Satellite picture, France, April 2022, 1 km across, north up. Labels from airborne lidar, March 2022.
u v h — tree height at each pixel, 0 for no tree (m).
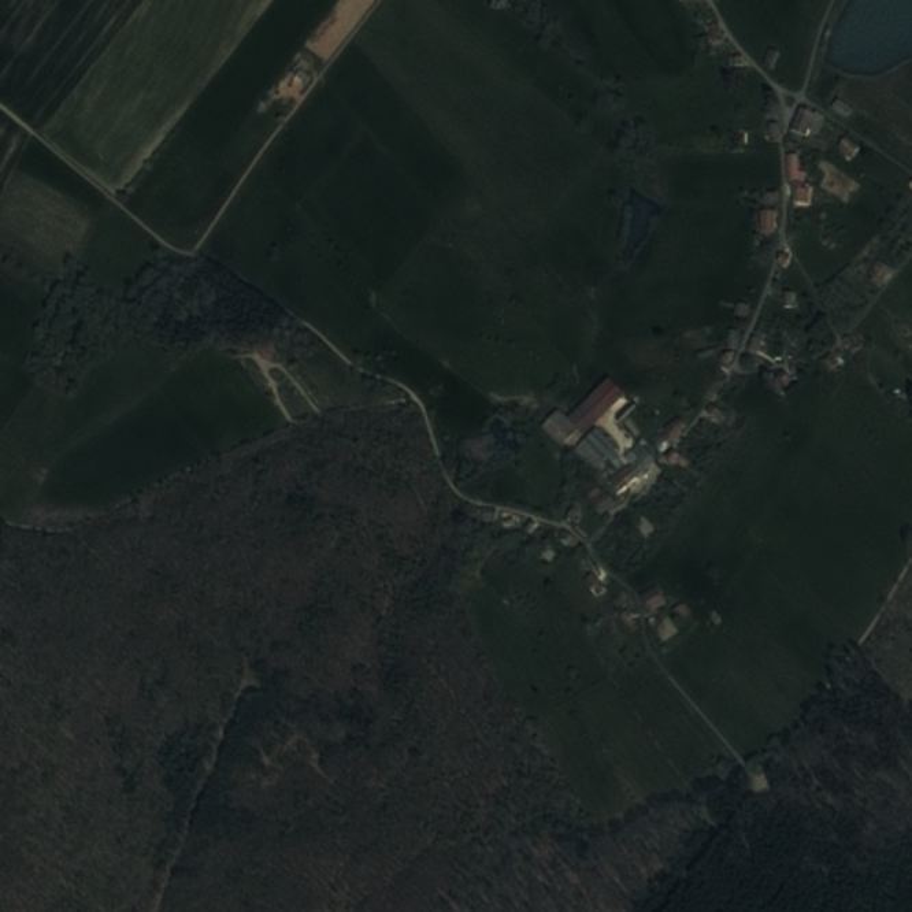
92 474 0
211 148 0
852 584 0
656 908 31
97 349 17
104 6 0
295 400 0
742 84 16
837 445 0
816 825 26
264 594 9
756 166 0
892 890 17
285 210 0
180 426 0
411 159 0
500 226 0
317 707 11
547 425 0
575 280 0
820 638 0
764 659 0
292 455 15
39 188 0
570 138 0
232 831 19
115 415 0
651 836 36
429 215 0
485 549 10
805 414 0
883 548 0
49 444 0
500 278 0
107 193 0
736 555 0
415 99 0
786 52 0
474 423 0
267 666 13
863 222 0
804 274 0
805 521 0
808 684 0
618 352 0
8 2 0
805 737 24
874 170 0
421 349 0
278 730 14
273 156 0
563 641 0
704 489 0
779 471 0
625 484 0
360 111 0
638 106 0
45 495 0
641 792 0
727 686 0
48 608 15
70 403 0
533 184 0
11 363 0
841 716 27
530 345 0
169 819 17
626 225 11
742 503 0
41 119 0
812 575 0
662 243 0
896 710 23
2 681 16
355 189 0
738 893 23
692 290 0
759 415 0
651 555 8
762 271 0
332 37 0
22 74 0
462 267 0
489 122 0
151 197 0
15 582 16
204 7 0
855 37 0
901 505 0
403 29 0
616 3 0
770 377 17
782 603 0
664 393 0
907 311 0
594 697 0
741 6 0
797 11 0
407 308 0
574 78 0
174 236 0
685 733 0
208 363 0
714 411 0
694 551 0
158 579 16
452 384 0
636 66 0
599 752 0
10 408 0
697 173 0
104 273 0
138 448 0
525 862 34
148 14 0
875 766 27
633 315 0
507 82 0
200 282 20
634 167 21
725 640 0
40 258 0
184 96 0
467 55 0
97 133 0
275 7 0
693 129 0
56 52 0
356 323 0
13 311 0
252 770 15
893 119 0
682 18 0
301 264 0
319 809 9
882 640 14
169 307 21
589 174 0
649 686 0
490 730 9
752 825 20
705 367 0
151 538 14
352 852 8
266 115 0
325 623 10
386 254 0
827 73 0
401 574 11
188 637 14
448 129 0
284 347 17
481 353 0
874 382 0
